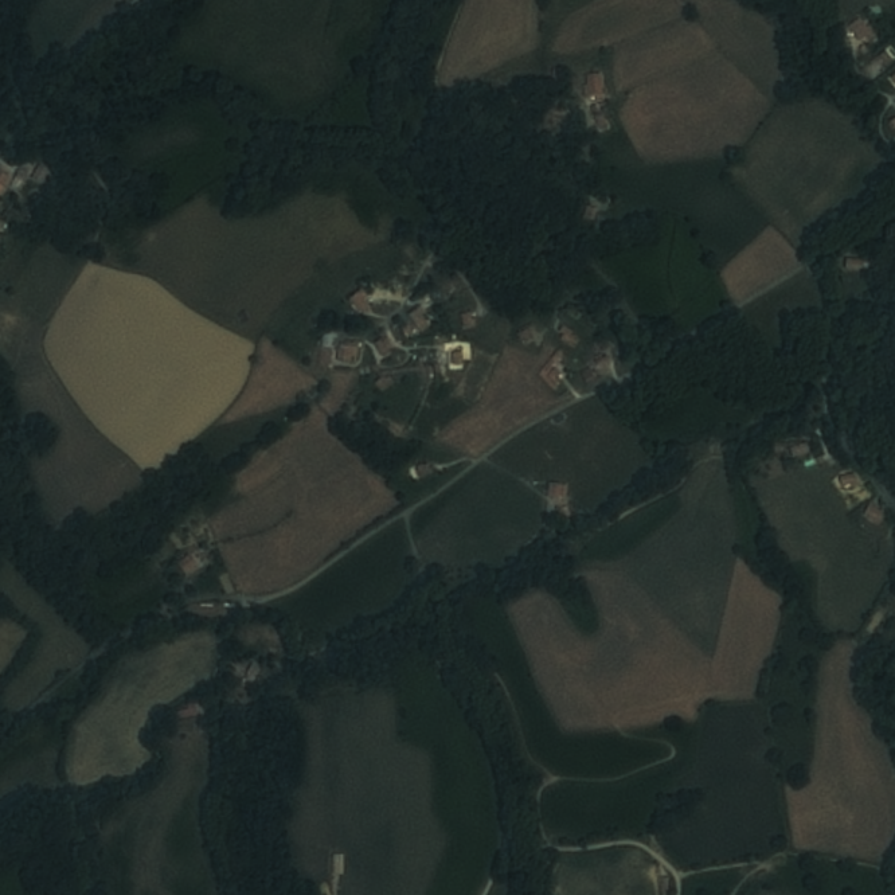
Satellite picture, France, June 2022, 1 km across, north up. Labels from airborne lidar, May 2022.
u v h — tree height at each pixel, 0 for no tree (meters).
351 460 0
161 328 0
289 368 0
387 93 27
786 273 0
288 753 23
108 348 0
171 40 17
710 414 0
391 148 28
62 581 15
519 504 0
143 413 0
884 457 23
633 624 0
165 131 0
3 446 8
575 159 15
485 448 0
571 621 0
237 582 0
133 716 0
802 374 25
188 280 0
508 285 29
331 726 0
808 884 15
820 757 0
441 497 0
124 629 8
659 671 0
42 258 0
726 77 0
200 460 9
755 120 0
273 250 0
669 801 14
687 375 24
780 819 0
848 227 29
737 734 0
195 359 0
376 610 0
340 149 27
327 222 0
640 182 0
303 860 0
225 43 0
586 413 0
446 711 0
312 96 0
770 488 0
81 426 0
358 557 0
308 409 14
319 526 0
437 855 0
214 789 19
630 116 0
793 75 17
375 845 0
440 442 0
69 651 0
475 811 0
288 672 12
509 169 21
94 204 16
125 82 23
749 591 0
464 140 20
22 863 6
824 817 0
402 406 0
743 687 0
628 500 13
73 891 26
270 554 0
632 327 27
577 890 0
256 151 23
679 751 0
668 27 0
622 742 0
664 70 0
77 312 0
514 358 0
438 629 24
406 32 17
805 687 12
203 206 0
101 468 0
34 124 21
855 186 0
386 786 0
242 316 0
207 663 0
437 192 27
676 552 0
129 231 0
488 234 29
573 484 0
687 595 0
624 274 0
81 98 28
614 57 0
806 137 0
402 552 0
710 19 0
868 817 0
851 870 13
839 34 18
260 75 0
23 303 0
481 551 0
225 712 21
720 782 0
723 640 0
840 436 8
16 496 27
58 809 25
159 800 0
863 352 24
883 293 26
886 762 0
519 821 34
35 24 0
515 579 19
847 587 0
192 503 7
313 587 0
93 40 21
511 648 0
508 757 29
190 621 19
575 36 0
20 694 0
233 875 19
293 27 0
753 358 29
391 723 0
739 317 26
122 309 0
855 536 0
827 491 0
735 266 0
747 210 0
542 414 0
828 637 12
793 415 22
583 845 9
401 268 0
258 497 0
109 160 20
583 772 0
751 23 0
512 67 0
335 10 0
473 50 0
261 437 13
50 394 0
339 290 0
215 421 0
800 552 0
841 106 16
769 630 0
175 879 0
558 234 20
